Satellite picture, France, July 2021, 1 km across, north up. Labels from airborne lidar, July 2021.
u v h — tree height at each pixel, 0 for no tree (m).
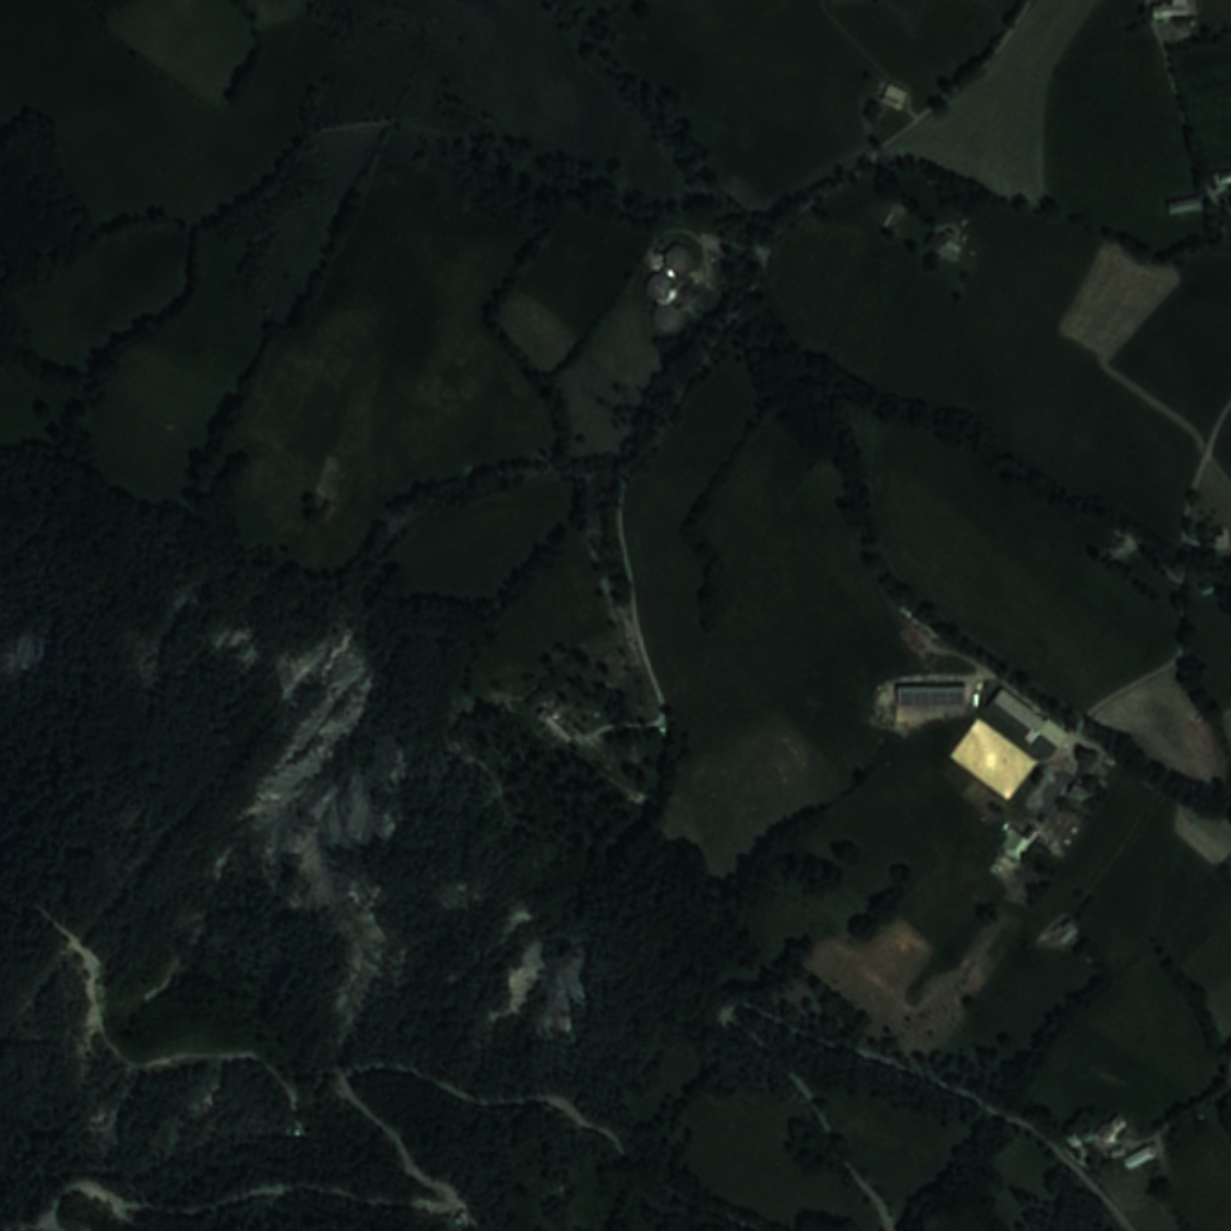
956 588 0
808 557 0
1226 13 0
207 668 17
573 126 0
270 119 0
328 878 0
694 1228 12
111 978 13
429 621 19
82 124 0
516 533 0
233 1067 10
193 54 0
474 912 13
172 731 17
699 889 34
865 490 19
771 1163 0
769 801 0
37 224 27
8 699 16
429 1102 14
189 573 9
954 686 0
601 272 0
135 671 7
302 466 0
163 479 0
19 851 31
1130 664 0
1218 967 0
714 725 0
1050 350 0
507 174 22
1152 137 0
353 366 0
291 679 0
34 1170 22
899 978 0
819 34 0
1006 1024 0
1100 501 9
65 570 17
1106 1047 0
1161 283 0
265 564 20
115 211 0
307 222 0
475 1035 8
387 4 8
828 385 21
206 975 16
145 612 19
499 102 0
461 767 11
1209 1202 0
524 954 6
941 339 0
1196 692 16
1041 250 0
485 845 7
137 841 10
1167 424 0
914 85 0
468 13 0
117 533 28
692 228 0
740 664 0
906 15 0
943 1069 13
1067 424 0
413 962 8
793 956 17
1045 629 0
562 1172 12
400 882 12
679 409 14
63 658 20
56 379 21
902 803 0
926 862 0
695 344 22
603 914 19
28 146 18
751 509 0
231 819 7
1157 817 0
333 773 10
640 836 34
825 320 0
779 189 0
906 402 6
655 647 0
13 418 0
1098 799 7
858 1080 18
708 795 0
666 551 0
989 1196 25
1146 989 0
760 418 10
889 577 14
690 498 0
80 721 20
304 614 13
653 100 20
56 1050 6
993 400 0
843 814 0
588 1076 13
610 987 16
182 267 0
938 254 8
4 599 14
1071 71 0
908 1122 0
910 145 0
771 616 0
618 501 12
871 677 0
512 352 10
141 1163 9
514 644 0
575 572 0
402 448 0
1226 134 0
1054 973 0
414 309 0
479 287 0
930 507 0
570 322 0
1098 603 0
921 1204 17
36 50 0
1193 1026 0
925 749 0
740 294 13
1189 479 0
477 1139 22
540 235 12
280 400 0
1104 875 0
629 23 0
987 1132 24
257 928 18
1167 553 9
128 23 0
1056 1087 0
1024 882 0
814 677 0
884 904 19
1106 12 0
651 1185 18
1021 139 0
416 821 9
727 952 21
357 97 0
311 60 0
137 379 0
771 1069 13
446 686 22
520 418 0
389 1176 15
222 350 0
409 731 12
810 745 0
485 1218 15
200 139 0
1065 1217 16
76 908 17
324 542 0
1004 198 6
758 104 0
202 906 11
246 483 0
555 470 13
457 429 0
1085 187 0
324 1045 13
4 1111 14
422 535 0
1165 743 0
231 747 6
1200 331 0
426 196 0
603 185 26
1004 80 0
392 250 0
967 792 0
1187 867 0
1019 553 0
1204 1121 8
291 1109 13
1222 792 19
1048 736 0
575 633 0
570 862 17
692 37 0
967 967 0
